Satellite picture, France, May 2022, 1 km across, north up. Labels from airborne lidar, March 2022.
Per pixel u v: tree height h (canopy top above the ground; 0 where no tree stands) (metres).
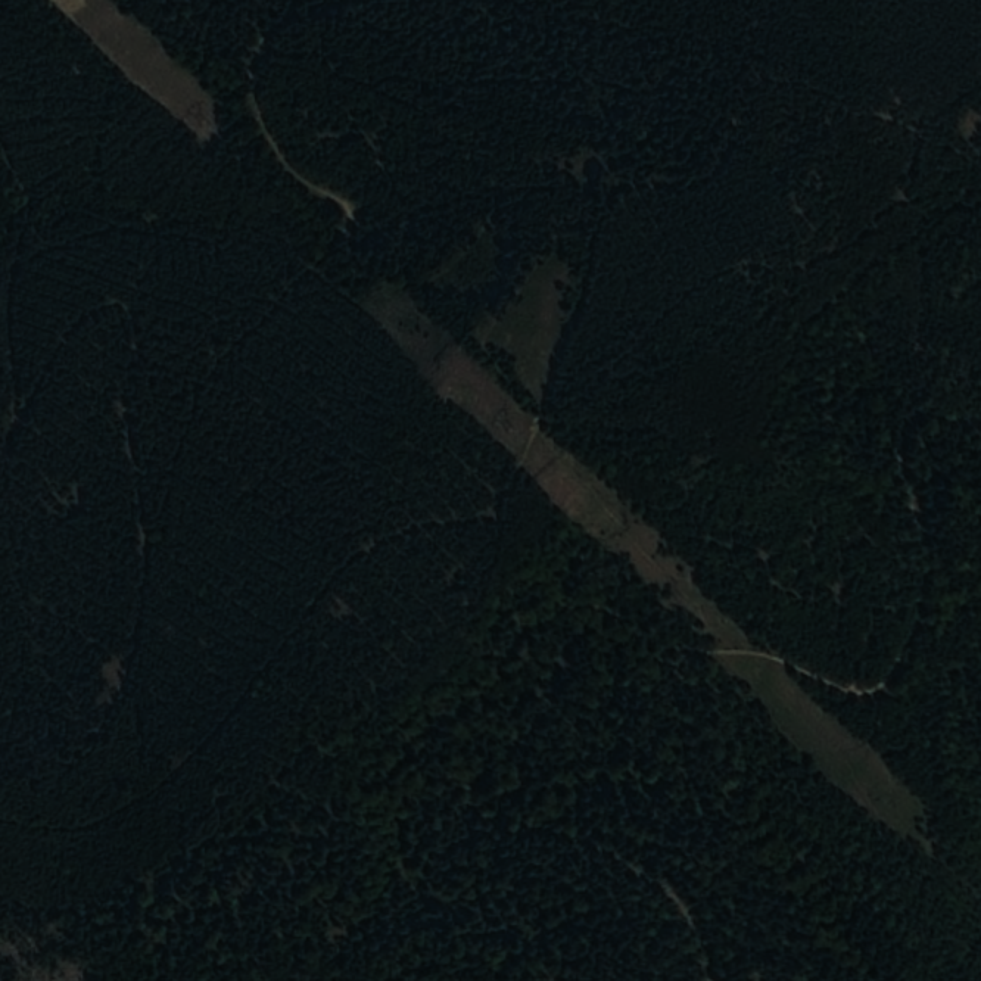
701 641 17
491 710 29
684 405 11
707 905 30
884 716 14
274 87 21
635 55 24
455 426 12
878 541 10
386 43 32
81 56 17
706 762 29
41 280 19
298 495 16
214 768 10
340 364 15
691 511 12
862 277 13
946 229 17
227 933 18
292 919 28
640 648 27
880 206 12
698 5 24
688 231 18
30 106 16
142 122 19
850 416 22
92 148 9
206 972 24
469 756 28
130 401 18
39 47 17
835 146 9
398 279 22
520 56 29
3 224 17
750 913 37
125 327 16
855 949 18
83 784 13
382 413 9
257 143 13
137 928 20
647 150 14
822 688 16
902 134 8
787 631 11
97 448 16
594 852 32
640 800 30
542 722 30
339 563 20
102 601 18
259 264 18
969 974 19
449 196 24
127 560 14
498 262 0
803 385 26
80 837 8
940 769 23
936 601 27
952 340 18
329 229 22
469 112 23
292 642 11
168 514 18
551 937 32
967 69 23
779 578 15
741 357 13
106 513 14
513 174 21
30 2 22
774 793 16
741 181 15
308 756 18
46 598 16
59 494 9
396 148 17
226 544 12
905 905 10
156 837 6
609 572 26
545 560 24
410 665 16
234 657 14
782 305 11
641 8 25
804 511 12
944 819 18
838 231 9
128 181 19
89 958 19
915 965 14
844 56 15
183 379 15
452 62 32
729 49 26
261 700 9
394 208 27
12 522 25
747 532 12
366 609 13
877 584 13
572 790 20
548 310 0
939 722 27
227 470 21
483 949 28
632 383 18
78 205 16
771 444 12
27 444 17
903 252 17
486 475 15
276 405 14
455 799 29
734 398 12
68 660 21
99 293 12
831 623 15
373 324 17
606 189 8
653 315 15
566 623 33
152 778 11
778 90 14
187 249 19
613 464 17
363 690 17
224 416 25
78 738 26
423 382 11
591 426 11
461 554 17
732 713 15
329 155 15
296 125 12
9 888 7
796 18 21
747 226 17
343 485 20
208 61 15
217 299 18
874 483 13
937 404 25
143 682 16
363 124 15
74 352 17
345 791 24
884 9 18
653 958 32
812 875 25
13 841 8
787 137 8
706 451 11
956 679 32
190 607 14
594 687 38
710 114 30
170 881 18
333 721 15
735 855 26
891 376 33
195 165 20
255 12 29
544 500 15
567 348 19
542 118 29
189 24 26
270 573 15
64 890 9
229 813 14
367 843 15
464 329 12
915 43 21
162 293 16
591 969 38
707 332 12
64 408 17
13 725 27
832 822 16
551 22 22
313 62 22
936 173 20
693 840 41
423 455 11
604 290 19
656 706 26
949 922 11
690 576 0
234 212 23
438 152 15
